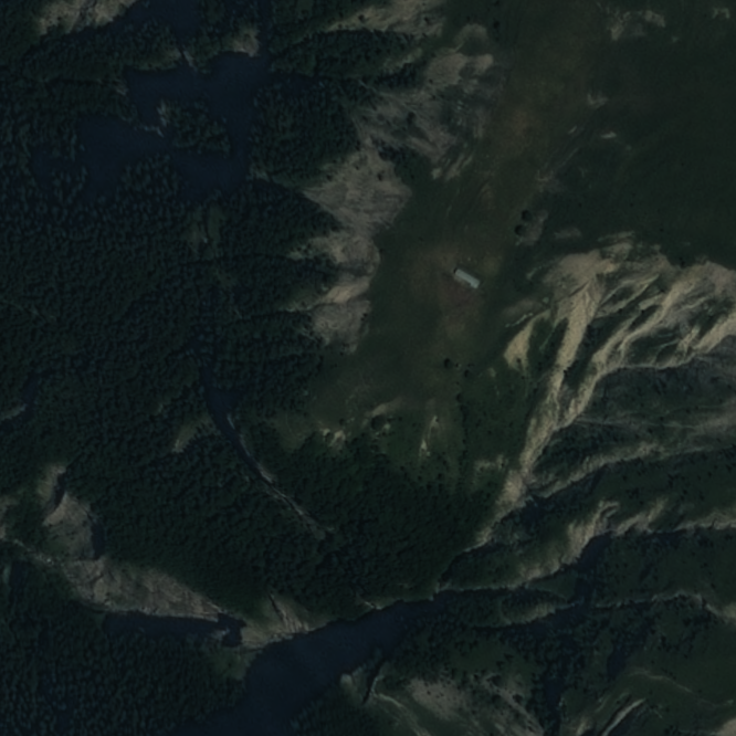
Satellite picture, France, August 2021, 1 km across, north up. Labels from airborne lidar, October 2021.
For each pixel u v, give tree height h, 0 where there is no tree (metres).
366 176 0
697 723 0
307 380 10
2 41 24
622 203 0
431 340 0
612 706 0
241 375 20
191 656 9
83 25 6
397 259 0
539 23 0
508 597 6
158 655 13
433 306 0
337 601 16
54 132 22
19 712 21
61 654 25
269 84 15
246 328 10
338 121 14
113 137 9
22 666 20
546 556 0
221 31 11
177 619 0
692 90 0
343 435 0
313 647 0
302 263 9
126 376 22
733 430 0
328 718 9
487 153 0
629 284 0
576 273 0
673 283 0
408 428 0
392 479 14
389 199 0
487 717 0
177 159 13
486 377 0
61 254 20
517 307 0
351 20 0
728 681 0
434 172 0
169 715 15
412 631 11
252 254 19
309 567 34
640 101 0
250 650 0
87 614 17
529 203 0
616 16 0
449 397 0
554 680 9
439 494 11
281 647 6
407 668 12
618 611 0
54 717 28
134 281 17
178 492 16
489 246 0
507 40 0
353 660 0
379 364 0
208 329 12
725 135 0
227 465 9
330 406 0
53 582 8
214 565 15
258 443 12
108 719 25
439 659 12
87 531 0
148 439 20
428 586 13
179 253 11
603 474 0
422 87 0
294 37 12
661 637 0
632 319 0
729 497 0
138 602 0
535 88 0
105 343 27
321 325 0
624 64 0
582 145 0
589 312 0
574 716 0
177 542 12
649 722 0
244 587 16
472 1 0
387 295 0
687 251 0
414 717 0
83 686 28
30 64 19
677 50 0
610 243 0
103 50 21
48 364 18
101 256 26
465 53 0
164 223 20
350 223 0
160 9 6
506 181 0
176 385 10
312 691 9
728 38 0
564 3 0
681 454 0
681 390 0
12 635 15
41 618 16
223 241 7
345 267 0
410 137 0
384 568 16
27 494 7
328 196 0
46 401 12
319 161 10
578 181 0
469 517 8
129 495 13
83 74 23
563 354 0
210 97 18
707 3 0
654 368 0
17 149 13
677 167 0
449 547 15
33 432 8
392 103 0
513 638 12
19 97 30
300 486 17
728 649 0
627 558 0
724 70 0
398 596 33
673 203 0
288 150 11
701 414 0
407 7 0
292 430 0
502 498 0
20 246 20
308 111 14
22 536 5
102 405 18
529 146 0
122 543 10
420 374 0
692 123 0
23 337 19
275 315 13
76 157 23
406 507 14
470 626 6
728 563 0
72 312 24
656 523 0
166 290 20
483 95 0
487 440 0
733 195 0
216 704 13
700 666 0
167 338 20
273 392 19
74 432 6
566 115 0
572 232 0
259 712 0
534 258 0
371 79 7
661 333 0
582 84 0
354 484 18
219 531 15
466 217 0
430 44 0
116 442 29
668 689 0
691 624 9
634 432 0
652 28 0
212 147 16
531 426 0
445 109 0
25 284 16
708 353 0
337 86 7
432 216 0
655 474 0
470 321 0
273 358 8
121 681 13
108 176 9
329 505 23
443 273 0
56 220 19
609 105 0
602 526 0
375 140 0
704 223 0
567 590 0
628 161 0
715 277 0
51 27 8
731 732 0
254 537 25
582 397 0
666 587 0
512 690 0
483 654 0
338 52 12
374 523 19
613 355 0
